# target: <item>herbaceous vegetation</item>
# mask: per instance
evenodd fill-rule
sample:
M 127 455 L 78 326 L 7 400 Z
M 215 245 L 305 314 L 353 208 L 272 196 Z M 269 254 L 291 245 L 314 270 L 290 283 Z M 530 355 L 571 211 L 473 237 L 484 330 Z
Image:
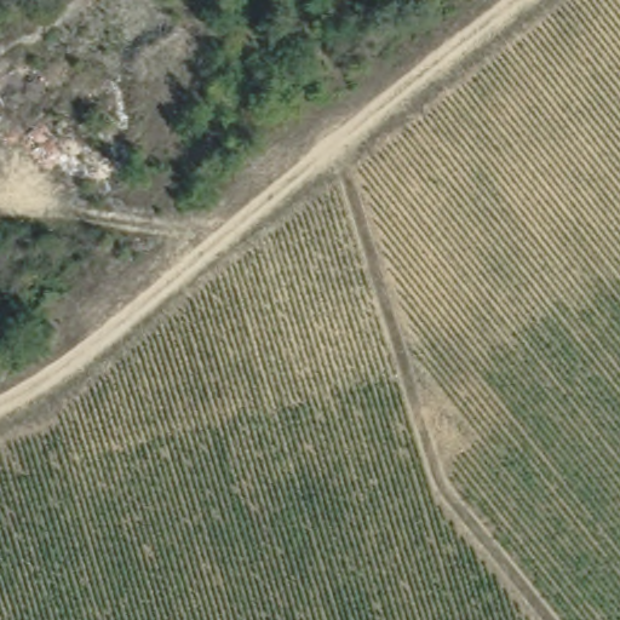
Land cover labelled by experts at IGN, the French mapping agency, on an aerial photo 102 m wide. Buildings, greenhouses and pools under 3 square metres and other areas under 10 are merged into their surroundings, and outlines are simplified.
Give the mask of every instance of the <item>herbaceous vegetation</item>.
M 75 262 L 63 274 L 65 293 L 46 293 L 41 308 L 46 310 L 46 317 L 53 329 L 48 346 L 53 349 L 51 356 L 56 358 L 68 354 L 90 332 L 102 327 L 116 310 L 128 305 L 179 257 L 201 245 L 211 233 L 220 230 L 230 216 L 247 206 L 266 186 L 271 186 L 286 170 L 291 170 L 317 143 L 320 136 L 344 124 L 368 102 L 361 97 L 358 90 L 346 90 L 339 92 L 339 99 L 329 102 L 327 107 L 308 109 L 300 121 L 286 121 L 274 136 L 276 145 L 269 145 L 259 155 L 242 160 L 242 172 L 228 184 L 228 189 L 218 196 L 218 203 L 211 211 L 177 213 L 174 199 L 167 194 L 167 186 L 172 182 L 172 160 L 179 155 L 179 136 L 172 131 L 172 126 L 189 119 L 196 107 L 206 102 L 208 87 L 218 78 L 230 73 L 230 61 L 223 65 L 213 63 L 216 51 L 225 46 L 225 39 L 220 34 L 211 34 L 206 29 L 206 22 L 191 17 L 184 0 L 0 0 L 0 216 L 7 213 L 29 216 L 39 220 L 90 220 L 109 228 L 104 242 L 97 245 L 90 257 Z
M 15 371 L 5 371 L 0 375 L 0 392 L 15 388 L 27 378 L 24 373 Z

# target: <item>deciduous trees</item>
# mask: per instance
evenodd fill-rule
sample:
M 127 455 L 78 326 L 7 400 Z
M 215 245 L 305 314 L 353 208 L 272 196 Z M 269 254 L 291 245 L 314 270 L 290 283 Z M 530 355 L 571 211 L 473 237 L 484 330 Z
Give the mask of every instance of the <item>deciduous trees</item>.
M 242 172 L 242 160 L 259 155 L 269 145 L 276 145 L 274 136 L 286 121 L 300 121 L 308 109 L 327 107 L 329 102 L 329 78 L 325 75 L 322 63 L 315 58 L 315 51 L 322 48 L 332 58 L 332 63 L 337 63 L 341 58 L 341 51 L 337 51 L 337 41 L 361 41 L 361 36 L 373 24 L 375 12 L 385 10 L 395 0 L 184 0 L 191 17 L 206 22 L 206 29 L 211 34 L 220 34 L 225 39 L 225 46 L 216 51 L 213 63 L 223 65 L 230 61 L 230 73 L 218 78 L 208 87 L 206 102 L 196 107 L 189 119 L 172 126 L 172 131 L 179 136 L 179 155 L 172 160 L 172 182 L 167 186 L 167 194 L 174 199 L 177 213 L 211 211 L 218 203 L 218 196 L 228 189 L 228 184 Z
M 0 325 L 0 375 L 5 371 L 15 371 L 24 373 L 27 378 L 56 358 L 51 356 L 53 349 L 48 346 L 53 329 L 46 317 L 46 310 L 41 308 L 27 312 Z

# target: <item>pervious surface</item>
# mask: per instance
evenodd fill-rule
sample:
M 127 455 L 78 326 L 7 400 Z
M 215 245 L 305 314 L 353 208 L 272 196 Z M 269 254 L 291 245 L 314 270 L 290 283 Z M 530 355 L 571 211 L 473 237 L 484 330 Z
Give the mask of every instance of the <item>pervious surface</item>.
M 375 128 L 390 114 L 395 114 L 412 94 L 424 90 L 431 80 L 441 78 L 443 73 L 448 73 L 455 61 L 477 48 L 484 39 L 506 27 L 521 10 L 530 7 L 538 0 L 499 0 L 467 27 L 446 39 L 438 48 L 426 53 L 414 68 L 409 68 L 402 78 L 397 78 L 390 87 L 385 87 L 375 99 L 368 102 L 344 124 L 320 136 L 317 143 L 291 170 L 286 170 L 271 186 L 266 186 L 247 206 L 230 216 L 220 230 L 211 233 L 201 245 L 179 257 L 128 305 L 116 310 L 102 327 L 90 332 L 68 354 L 56 358 L 27 378 L 15 388 L 0 392 L 0 417 L 29 404 L 39 395 L 46 395 L 51 388 L 61 385 L 73 373 L 82 371 L 97 354 L 111 346 L 119 337 L 124 337 L 138 320 L 143 320 L 153 308 L 157 308 L 182 283 L 186 283 L 218 252 L 235 242 L 259 218 L 271 213 L 288 194 L 300 189 L 315 174 L 325 172 L 371 128 Z

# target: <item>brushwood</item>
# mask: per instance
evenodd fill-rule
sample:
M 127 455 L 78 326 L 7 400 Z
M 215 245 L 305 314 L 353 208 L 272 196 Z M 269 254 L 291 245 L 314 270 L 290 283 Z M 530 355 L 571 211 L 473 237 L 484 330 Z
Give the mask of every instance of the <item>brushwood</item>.
M 75 262 L 90 257 L 97 245 L 104 242 L 109 228 L 90 220 L 39 220 L 29 216 L 7 213 L 0 216 L 0 288 L 19 295 L 24 300 L 27 312 L 41 308 L 46 293 L 65 293 L 63 274 Z
M 375 12 L 373 24 L 361 36 L 361 41 L 337 41 L 337 51 L 341 51 L 341 58 L 337 63 L 332 63 L 332 58 L 322 48 L 315 51 L 315 58 L 322 63 L 325 75 L 329 78 L 329 102 L 339 99 L 339 92 L 346 90 L 358 90 L 361 97 L 368 102 L 375 99 L 385 87 L 390 87 L 397 78 L 402 78 L 409 68 L 414 68 L 426 53 L 438 48 L 446 39 L 467 27 L 499 0 L 395 0 L 385 10 Z

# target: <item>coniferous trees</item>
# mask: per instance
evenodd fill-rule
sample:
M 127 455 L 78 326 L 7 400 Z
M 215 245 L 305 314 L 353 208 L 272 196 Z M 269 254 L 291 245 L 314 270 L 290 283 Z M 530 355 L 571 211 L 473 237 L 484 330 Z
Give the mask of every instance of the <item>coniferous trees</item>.
M 27 312 L 24 300 L 19 295 L 0 288 L 0 325 Z

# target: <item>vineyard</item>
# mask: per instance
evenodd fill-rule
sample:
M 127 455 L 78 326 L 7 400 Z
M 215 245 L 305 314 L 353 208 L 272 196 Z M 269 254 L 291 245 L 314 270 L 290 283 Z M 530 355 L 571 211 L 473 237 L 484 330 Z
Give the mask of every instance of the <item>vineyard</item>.
M 371 128 L 325 172 L 315 174 L 300 189 L 288 194 L 271 213 L 259 218 L 235 242 L 218 252 L 186 283 L 182 283 L 157 308 L 153 308 L 143 320 L 138 320 L 124 337 L 119 337 L 111 346 L 97 354 L 82 371 L 73 373 L 61 385 L 51 388 L 46 395 L 39 395 L 29 404 L 0 417 L 0 620 L 620 620 L 620 0 L 538 0 L 530 7 L 521 10 L 506 27 L 484 39 L 477 48 L 455 61 L 448 73 L 443 73 L 441 78 L 431 80 L 424 90 L 412 94 L 395 114 L 390 114 L 375 128 Z

